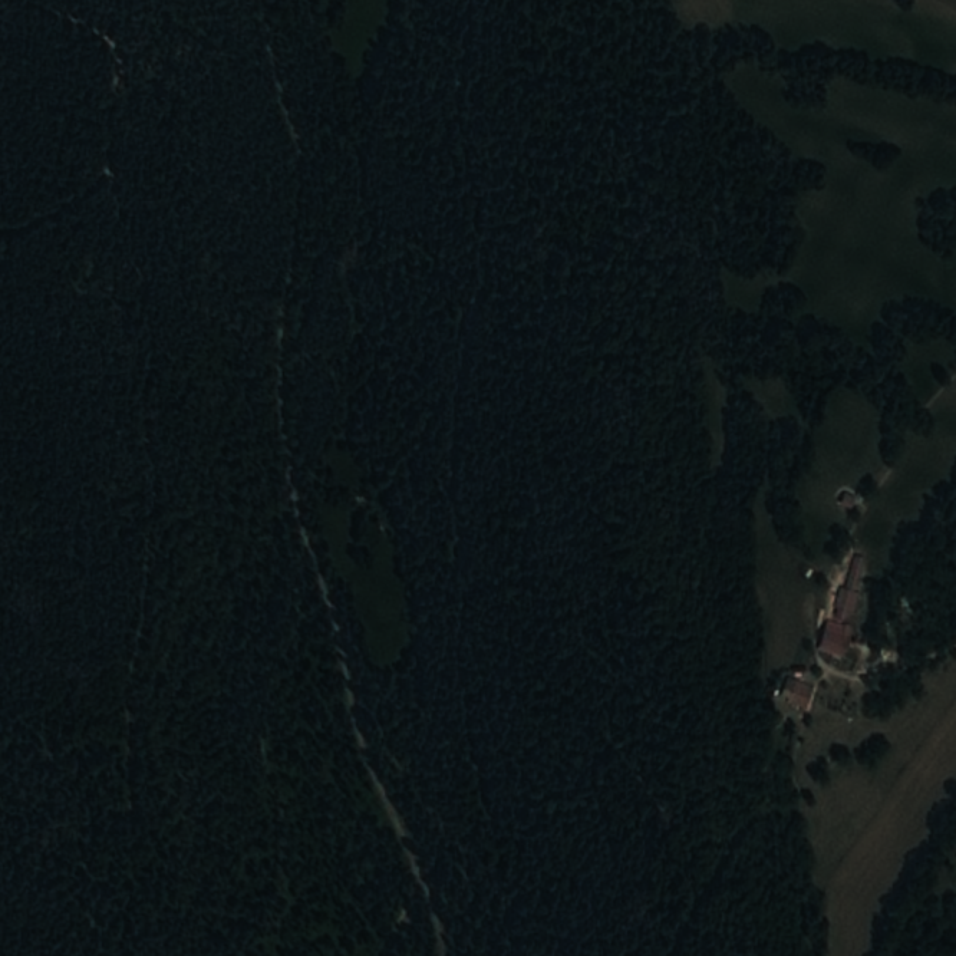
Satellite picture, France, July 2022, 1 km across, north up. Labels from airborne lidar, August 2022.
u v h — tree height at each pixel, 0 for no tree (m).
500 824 31
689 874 20
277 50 27
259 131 32
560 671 33
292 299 29
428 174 29
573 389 33
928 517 24
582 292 23
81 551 27
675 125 27
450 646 27
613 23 18
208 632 27
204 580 16
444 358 32
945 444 0
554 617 35
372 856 26
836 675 0
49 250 22
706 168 16
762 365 26
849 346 27
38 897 29
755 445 19
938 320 28
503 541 24
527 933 36
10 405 23
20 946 27
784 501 23
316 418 26
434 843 36
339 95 22
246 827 23
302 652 13
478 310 30
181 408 20
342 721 26
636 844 31
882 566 0
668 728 22
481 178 33
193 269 21
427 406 27
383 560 0
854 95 0
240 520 25
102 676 18
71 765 18
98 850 21
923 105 0
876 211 0
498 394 30
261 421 25
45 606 22
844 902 0
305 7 25
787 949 11
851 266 0
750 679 17
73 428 26
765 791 16
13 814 6
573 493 32
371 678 24
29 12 20
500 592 28
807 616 0
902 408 27
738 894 25
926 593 19
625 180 7
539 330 31
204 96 23
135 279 23
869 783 0
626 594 11
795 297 29
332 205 22
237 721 30
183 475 19
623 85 6
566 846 35
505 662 26
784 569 0
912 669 19
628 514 22
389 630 0
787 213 22
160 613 16
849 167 0
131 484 23
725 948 22
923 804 0
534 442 25
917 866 24
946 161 0
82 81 28
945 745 0
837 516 0
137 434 26
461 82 36
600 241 10
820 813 0
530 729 34
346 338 18
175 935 28
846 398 0
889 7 0
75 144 27
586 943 34
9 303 24
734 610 24
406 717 25
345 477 0
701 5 0
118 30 26
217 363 20
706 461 23
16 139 20
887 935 25
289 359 24
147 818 22
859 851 0
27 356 23
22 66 22
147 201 25
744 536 22
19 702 20
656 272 21
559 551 30
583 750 25
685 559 19
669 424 19
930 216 17
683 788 20
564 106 31
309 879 13
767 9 0
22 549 21
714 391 0
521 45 12
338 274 35
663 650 27
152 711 25
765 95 0
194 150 22
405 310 38
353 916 21
